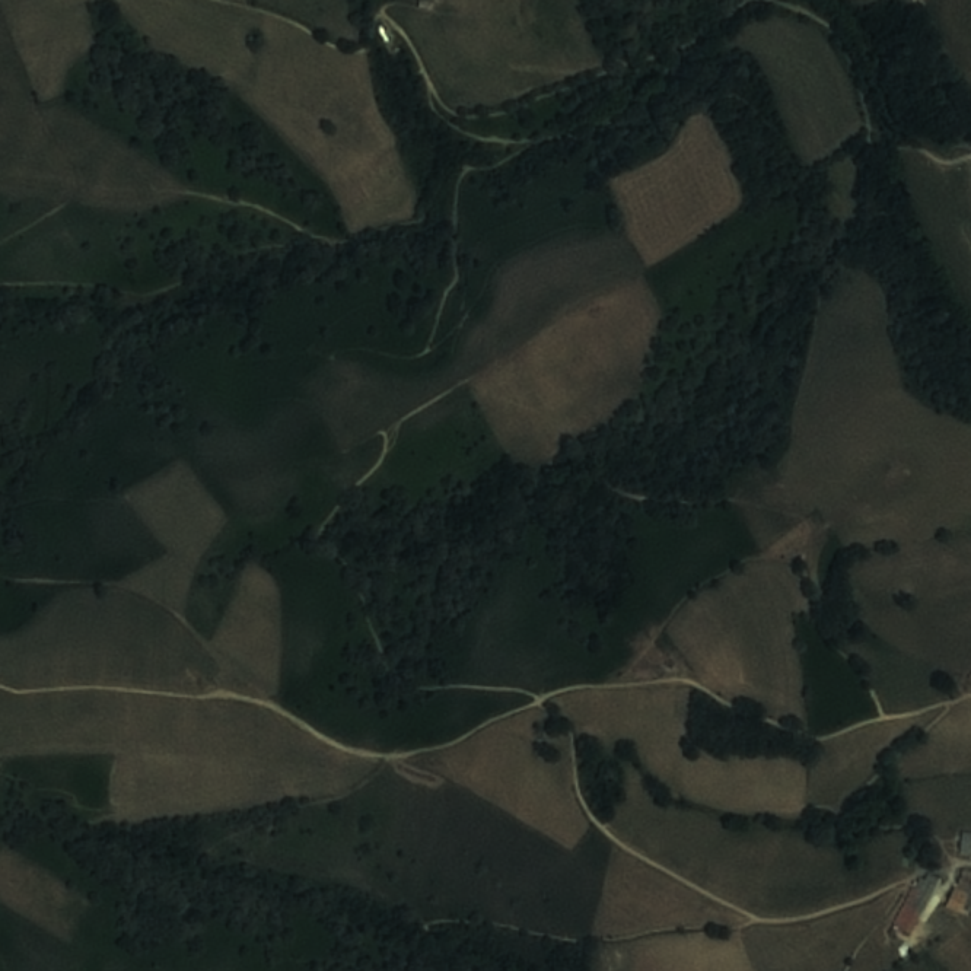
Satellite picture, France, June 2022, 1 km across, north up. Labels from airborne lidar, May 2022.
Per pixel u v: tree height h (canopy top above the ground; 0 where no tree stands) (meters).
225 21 0
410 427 0
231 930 9
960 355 18
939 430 0
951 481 0
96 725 0
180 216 0
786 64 0
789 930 0
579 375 0
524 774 0
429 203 10
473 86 0
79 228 0
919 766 0
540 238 0
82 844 19
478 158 16
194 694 0
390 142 0
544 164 12
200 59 0
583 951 12
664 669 0
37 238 0
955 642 0
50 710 0
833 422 0
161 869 23
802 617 8
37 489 0
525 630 0
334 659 0
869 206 16
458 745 0
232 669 0
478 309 0
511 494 26
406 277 19
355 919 11
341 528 16
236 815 7
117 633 0
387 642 12
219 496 0
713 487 13
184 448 0
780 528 0
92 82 11
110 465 0
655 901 0
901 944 0
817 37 0
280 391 0
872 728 0
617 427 14
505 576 0
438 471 0
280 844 0
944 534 14
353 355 0
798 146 0
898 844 0
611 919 0
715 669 0
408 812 0
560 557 16
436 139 16
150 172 0
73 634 0
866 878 0
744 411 10
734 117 10
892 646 0
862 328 0
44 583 0
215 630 0
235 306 8
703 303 0
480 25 0
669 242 0
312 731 0
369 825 14
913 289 19
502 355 0
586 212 0
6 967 0
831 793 0
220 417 0
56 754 0
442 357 0
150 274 0
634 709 0
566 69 0
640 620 0
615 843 0
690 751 20
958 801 0
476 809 0
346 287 10
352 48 15
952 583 0
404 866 0
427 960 18
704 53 9
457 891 0
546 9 0
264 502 0
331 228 0
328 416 0
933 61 22
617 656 0
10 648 0
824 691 0
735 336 16
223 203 0
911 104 19
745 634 0
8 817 9
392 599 11
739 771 0
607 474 11
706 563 0
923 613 0
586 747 23
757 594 0
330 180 0
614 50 21
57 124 0
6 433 14
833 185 13
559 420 0
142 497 0
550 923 0
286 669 0
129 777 0
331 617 0
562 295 0
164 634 0
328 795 0
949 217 0
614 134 16
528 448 0
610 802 15
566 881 0
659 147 13
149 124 17
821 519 0
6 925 0
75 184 0
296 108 0
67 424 8
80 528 0
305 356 0
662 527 0
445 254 11
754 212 9
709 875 0
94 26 0
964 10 0
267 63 0
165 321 7
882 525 0
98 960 0
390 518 12
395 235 12
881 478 0
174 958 0
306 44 0
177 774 0
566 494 16
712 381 19
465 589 13
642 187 0
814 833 20
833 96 0
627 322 0
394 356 0
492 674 0
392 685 16
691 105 16
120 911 11
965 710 0
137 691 0
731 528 0
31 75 0
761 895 0
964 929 0
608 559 17
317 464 0
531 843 0
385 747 0
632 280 0
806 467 0
